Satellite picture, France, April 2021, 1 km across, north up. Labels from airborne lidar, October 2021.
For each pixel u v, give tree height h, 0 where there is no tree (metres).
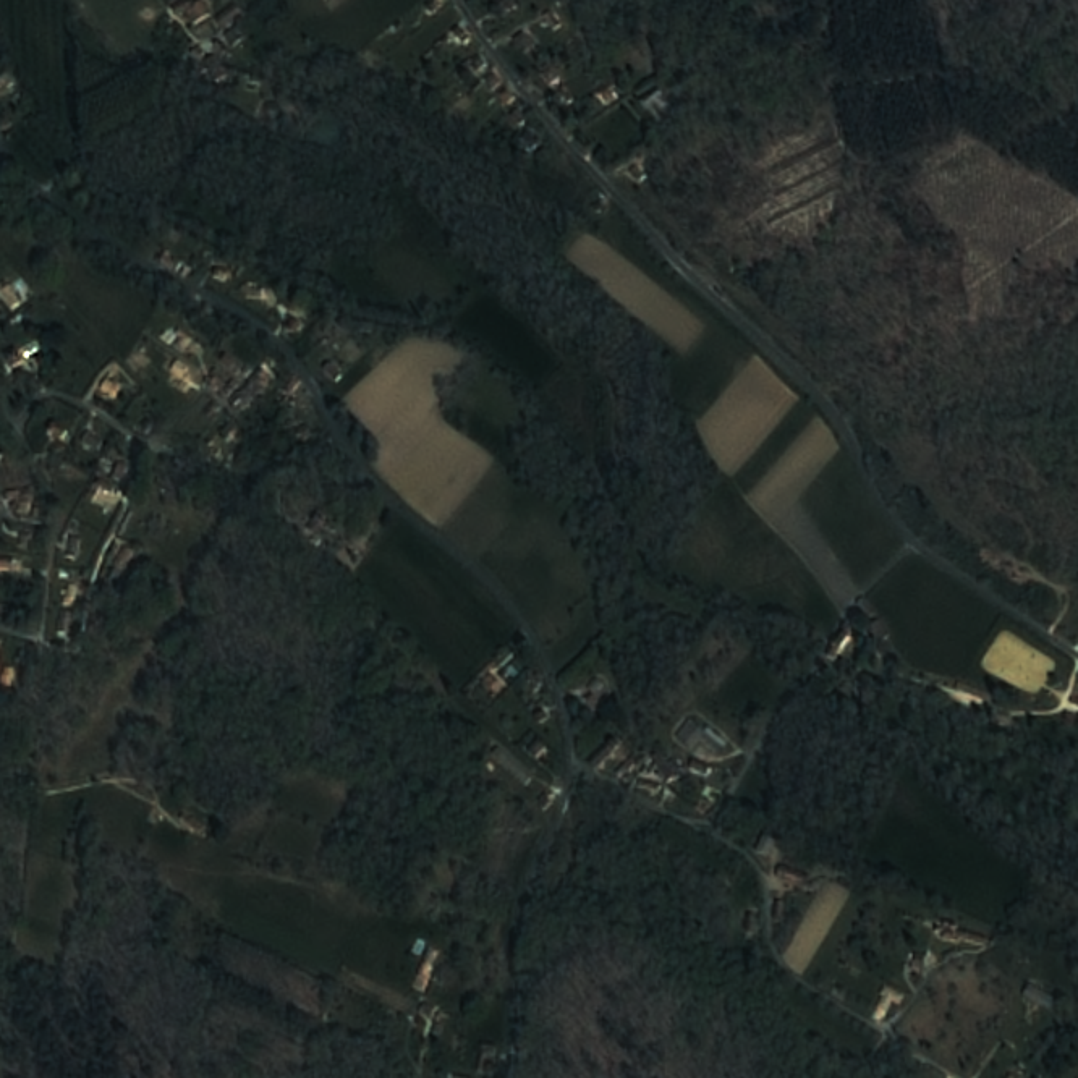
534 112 8
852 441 0
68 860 11
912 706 27
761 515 0
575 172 0
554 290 29
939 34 15
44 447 0
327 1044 21
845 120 11
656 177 19
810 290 16
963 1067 11
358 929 0
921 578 0
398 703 25
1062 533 17
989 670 0
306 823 10
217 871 0
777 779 20
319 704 13
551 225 16
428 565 0
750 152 12
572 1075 24
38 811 23
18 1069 19
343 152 15
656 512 24
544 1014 22
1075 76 15
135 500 22
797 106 19
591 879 13
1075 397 21
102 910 23
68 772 0
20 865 11
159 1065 18
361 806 21
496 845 23
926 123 13
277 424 9
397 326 14
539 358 0
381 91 31
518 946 20
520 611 0
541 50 11
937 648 0
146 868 12
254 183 21
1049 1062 8
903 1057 17
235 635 15
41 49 7
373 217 14
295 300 16
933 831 0
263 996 16
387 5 0
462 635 0
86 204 20
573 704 16
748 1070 21
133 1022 15
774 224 0
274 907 0
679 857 12
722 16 25
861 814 21
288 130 16
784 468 0
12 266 0
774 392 0
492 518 0
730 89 15
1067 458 22
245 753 24
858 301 19
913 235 12
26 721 21
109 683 18
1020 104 22
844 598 0
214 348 8
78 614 14
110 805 0
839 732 23
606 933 19
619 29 18
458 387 17
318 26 0
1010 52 17
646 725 16
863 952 13
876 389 16
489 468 0
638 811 31
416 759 25
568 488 21
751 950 12
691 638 23
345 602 22
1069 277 8
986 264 0
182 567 0
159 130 15
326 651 16
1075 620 0
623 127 0
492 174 32
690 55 20
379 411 0
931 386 21
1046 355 24
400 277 0
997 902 0
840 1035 0
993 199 0
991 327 17
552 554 0
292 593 15
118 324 0
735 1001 23
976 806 20
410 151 25
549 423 8
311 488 20
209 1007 15
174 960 19
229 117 21
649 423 23
